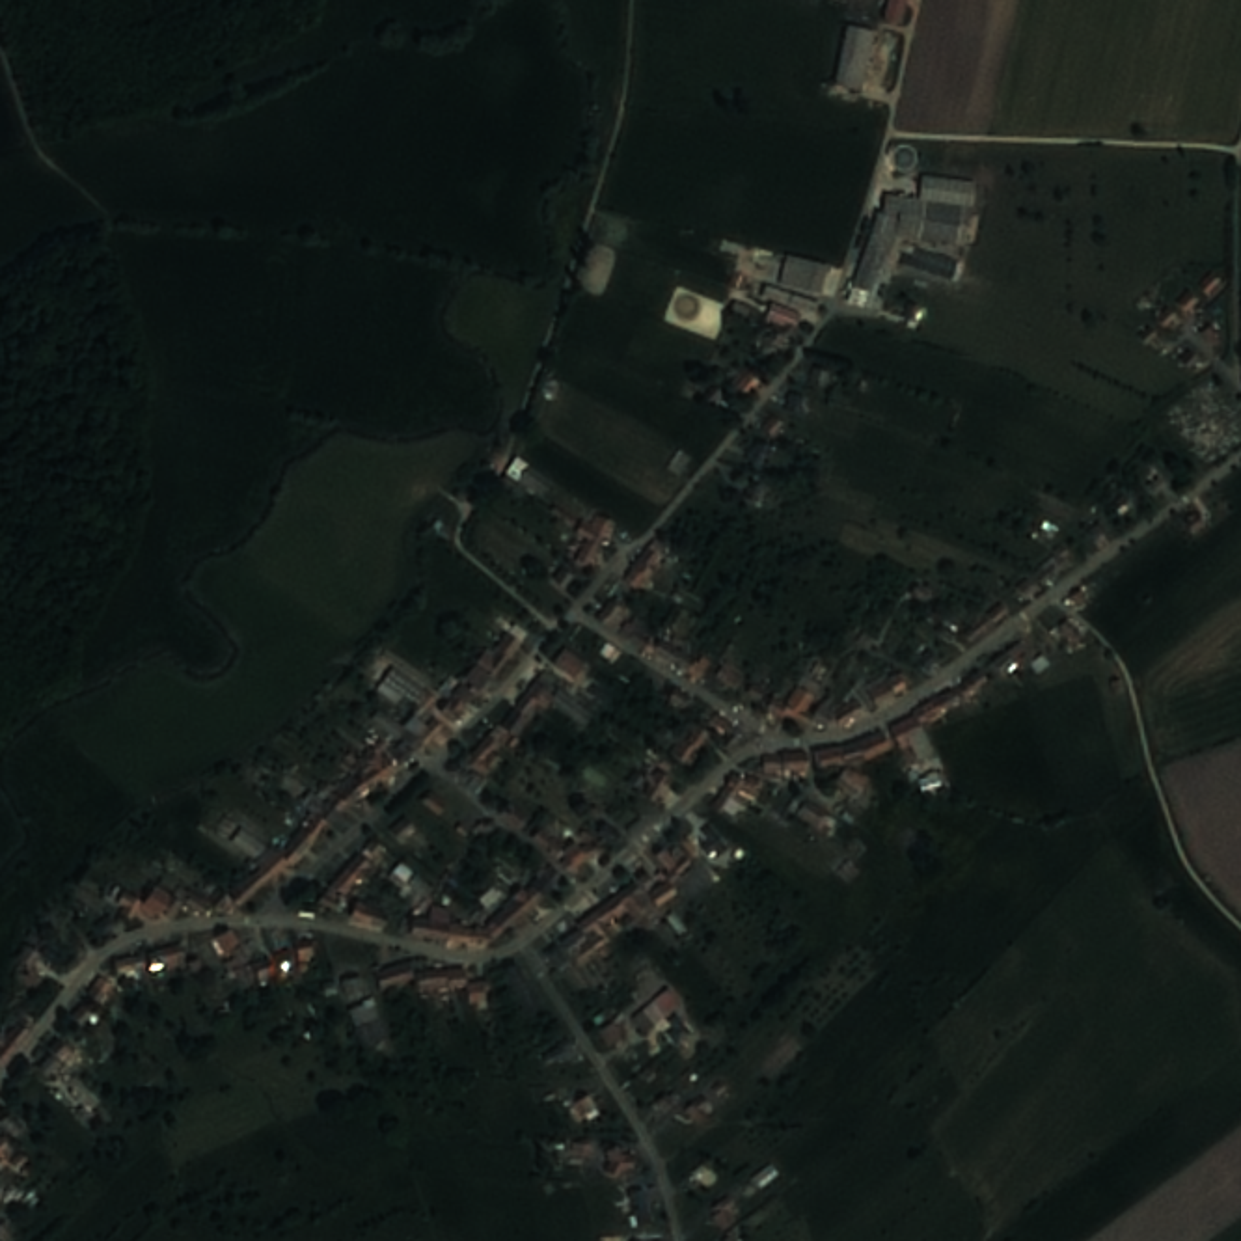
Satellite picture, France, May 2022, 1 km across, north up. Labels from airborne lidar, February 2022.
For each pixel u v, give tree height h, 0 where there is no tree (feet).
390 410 0
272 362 0
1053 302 0
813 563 48
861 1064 0
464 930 0
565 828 0
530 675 0
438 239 0
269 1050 23
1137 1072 0
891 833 0
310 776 0
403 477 0
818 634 46
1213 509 0
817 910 0
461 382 0
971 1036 0
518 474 0
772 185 0
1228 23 0
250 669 0
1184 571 0
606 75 0
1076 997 0
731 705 0
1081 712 0
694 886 0
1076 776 0
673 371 0
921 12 0
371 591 0
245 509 0
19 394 83
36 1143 34
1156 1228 0
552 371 21
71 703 0
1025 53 0
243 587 0
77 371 93
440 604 0
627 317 0
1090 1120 0
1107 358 0
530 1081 0
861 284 0
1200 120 0
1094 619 0
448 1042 0
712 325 0
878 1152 0
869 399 0
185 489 0
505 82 0
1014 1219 0
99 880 0
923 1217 0
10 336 77
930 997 0
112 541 80
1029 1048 0
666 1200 0
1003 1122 0
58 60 54
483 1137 0
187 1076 0
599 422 0
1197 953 0
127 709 0
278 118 0
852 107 0
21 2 51
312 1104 0
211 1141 0
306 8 38
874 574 23
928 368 0
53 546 102
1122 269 0
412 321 0
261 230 0
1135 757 0
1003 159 0
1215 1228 0
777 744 0
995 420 0
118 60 68
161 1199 0
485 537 0
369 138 0
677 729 40
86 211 0
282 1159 39
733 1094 0
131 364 94
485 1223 0
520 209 0
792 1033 0
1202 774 0
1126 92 0
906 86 0
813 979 33
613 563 0
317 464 0
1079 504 0
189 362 0
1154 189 0
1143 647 0
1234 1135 0
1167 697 0
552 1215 0
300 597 0
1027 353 0
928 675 0
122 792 0
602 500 0
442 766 0
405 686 0
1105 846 0
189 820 0
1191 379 0
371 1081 26
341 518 0
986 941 0
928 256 0
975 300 0
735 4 0
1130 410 0
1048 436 0
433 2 0
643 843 0
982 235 0
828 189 0
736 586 45
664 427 0
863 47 0
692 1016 0
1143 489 24
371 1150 0
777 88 0
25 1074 52
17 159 0
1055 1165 0
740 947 0
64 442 82
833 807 0
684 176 0
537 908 0
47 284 77
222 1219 28
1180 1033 0
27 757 0
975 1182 0
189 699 0
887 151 0
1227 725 0
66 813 0
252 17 70
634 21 0
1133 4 0
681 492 0
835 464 0
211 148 0
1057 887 0
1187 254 0
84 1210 0
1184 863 0
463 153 0
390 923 0
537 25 0
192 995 0
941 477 0
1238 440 0
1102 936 0
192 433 0
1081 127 0
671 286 0
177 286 0
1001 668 0
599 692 0
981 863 0
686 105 0
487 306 0
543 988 0
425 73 0
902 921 0
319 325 0
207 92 0
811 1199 0
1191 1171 0
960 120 0
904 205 0
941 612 45
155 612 0
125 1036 40
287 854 0
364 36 0
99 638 0
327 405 0
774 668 0
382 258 0
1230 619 0
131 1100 46
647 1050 0
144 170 0
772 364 33
